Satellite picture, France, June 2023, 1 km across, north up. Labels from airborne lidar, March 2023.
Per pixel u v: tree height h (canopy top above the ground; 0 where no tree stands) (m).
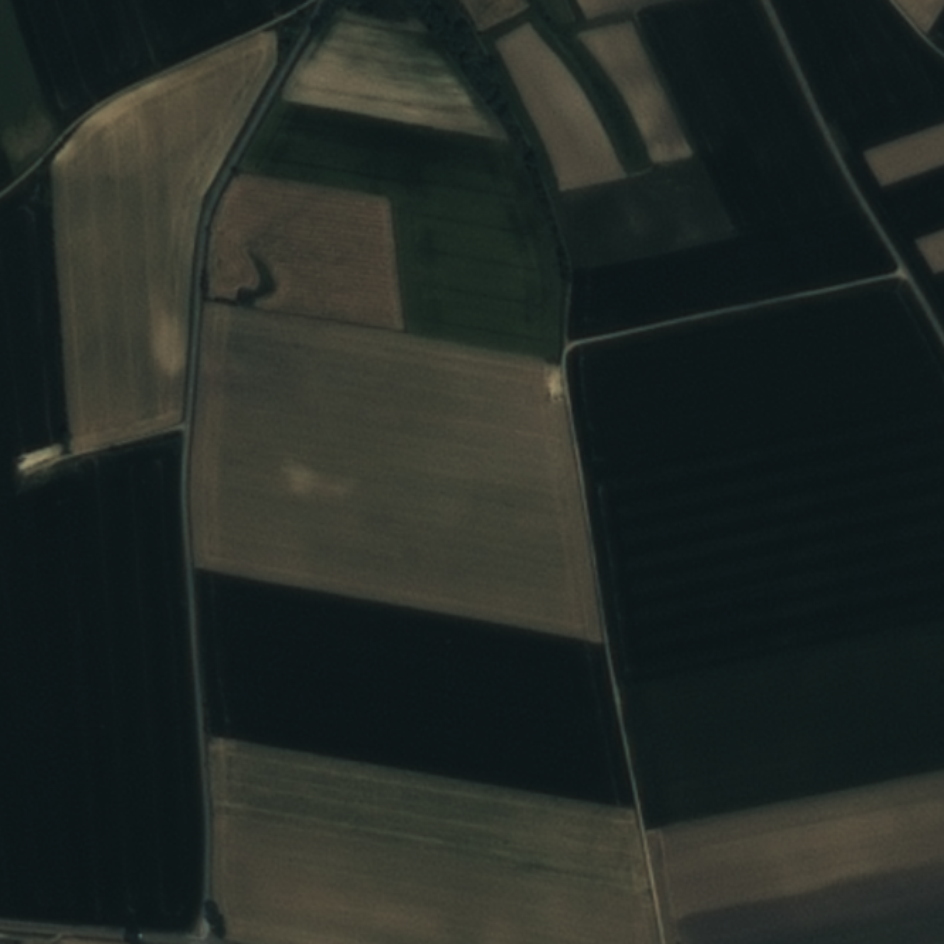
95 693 0
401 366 0
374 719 0
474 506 0
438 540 0
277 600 0
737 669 0
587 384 0
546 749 0
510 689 0
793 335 0
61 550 0
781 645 0
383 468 0
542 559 0
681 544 0
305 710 0
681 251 0
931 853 0
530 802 0
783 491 0
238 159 0
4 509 0
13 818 0
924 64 0
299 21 7
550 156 0
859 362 0
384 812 0
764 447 0
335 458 0
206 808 0
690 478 0
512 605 0
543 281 0
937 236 0
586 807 0
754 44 0
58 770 0
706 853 0
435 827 0
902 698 0
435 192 0
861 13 0
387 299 0
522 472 0
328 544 0
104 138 0
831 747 0
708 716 0
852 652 0
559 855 0
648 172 0
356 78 0
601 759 0
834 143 0
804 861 0
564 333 0
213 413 0
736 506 0
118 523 0
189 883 0
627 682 0
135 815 0
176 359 0
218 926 24
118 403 0
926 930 0
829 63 0
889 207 0
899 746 0
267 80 0
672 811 0
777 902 0
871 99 0
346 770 0
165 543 0
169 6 0
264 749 0
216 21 0
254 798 0
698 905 0
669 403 0
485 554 0
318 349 0
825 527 0
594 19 0
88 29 0
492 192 0
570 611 0
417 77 0
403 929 0
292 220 0
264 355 0
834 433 0
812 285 0
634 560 0
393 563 0
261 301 0
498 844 0
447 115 0
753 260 0
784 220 0
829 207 0
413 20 0
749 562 0
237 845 0
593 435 0
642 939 0
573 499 0
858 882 0
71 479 0
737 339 0
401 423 0
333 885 0
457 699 0
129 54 0
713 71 0
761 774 0
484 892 0
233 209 0
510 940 0
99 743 0
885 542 0
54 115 0
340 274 0
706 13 0
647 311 0
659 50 0
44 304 0
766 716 0
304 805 0
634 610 0
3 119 0
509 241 0
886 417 0
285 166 0
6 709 0
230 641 0
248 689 0
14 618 0
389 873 0
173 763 0
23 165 0
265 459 0
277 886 0
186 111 0
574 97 0
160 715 0
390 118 0
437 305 0
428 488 0
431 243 0
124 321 0
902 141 0
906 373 0
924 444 0
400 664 0
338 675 0
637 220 0
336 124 0
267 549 0
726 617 0
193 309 0
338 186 0
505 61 0
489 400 0
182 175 0
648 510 0
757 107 0
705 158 0
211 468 0
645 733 0
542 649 0
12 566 0
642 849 0
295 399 0
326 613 0
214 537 0
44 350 0
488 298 0
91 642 0
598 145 0
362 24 0
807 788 0
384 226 0
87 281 0
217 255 0
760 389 0
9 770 0
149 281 0
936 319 0
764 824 0
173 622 0
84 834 0
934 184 0
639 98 0
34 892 0
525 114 0
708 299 0
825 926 0
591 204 0
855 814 0
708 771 0
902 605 0
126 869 0
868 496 0
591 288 0
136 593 0
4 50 0
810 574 0
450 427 0
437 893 0
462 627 0
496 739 0
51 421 0
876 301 0
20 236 0
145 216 0
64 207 0
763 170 0
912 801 0
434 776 0
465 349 0
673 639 0
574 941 0
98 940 0
